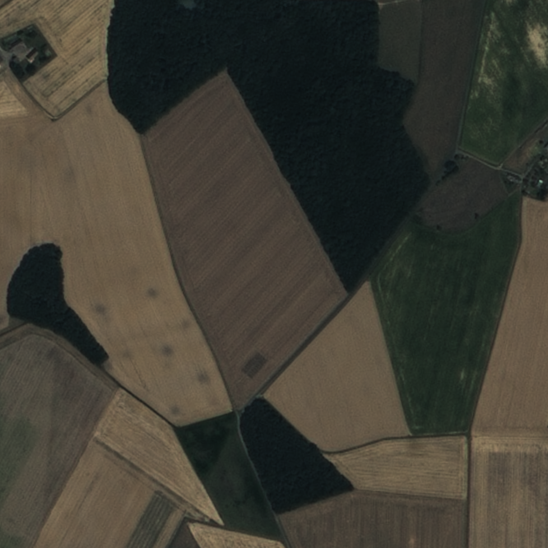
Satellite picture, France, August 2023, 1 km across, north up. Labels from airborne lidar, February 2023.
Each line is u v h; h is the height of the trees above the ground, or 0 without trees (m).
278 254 0
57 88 0
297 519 0
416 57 0
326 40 15
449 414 0
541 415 0
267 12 23
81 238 0
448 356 0
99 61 0
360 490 0
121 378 0
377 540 0
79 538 0
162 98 23
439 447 0
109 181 0
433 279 0
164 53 19
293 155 22
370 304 0
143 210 0
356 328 0
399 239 0
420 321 0
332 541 0
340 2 14
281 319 0
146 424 0
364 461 0
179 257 0
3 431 0
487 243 0
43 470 0
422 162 13
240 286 0
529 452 0
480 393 0
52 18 0
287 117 15
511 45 0
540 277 0
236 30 20
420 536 0
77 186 0
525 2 0
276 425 15
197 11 11
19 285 16
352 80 17
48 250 15
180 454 0
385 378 0
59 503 0
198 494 0
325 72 15
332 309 0
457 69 0
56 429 0
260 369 0
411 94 16
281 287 0
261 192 0
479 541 0
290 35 20
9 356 0
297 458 19
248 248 0
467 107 0
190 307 0
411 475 0
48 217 0
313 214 14
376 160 18
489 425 0
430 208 0
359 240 16
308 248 0
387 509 0
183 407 0
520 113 0
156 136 0
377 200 17
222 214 0
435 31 0
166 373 0
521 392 0
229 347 0
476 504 0
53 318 16
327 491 17
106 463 0
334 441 0
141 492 0
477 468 0
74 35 0
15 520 0
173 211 0
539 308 0
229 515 0
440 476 0
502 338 0
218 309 0
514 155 0
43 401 0
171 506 0
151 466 0
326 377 0
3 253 0
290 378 0
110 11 0
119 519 0
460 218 0
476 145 0
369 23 20
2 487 0
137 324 0
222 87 0
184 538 0
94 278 0
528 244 0
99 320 0
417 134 0
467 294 0
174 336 0
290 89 16
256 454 12
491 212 0
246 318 0
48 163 0
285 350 0
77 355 0
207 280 0
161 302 0
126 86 22
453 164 13
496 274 0
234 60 16
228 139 0
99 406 0
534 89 0
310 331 0
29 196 0
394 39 0
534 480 0
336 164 21
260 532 0
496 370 0
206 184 0
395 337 0
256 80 21
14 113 0
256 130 0
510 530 0
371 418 0
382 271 0
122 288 0
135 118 18
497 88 0
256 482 0
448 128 0
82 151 0
